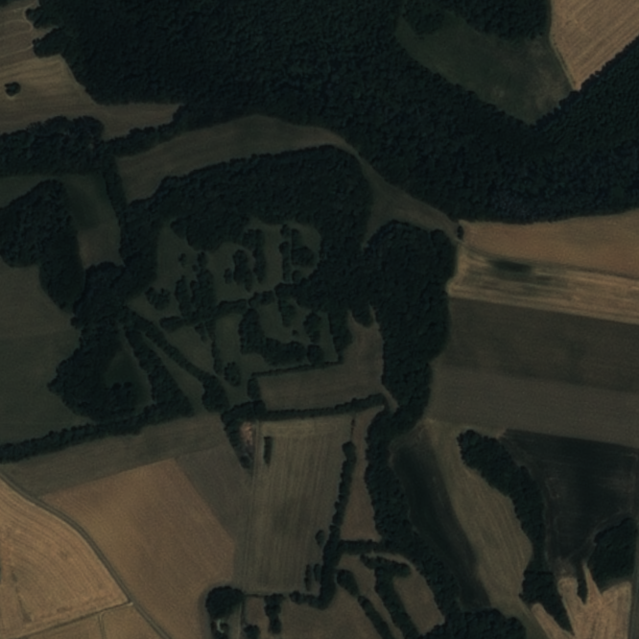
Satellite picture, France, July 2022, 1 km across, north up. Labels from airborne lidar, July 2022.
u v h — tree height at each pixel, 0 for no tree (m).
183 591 0
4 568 0
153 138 21
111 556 0
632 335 0
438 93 20
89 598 0
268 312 0
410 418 19
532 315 0
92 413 16
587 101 24
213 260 0
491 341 0
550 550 0
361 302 15
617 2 0
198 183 22
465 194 33
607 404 0
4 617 0
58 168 9
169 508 0
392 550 17
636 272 0
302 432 0
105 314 21
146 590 0
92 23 25
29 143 14
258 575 0
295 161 17
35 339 0
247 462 14
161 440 0
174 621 0
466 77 0
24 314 0
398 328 17
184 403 10
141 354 21
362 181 20
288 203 20
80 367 21
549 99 0
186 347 0
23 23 0
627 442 0
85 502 0
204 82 23
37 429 0
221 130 0
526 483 15
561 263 0
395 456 0
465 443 19
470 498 0
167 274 0
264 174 23
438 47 0
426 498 0
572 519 0
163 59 25
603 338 0
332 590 16
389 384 17
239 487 0
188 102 18
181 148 0
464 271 0
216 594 14
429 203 14
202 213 22
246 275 15
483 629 18
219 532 0
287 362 11
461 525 0
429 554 20
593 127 28
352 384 0
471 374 0
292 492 0
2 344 0
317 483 0
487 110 17
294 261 11
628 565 6
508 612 0
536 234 0
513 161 26
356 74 29
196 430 0
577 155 17
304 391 0
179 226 14
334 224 16
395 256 20
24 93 0
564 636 0
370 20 10
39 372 0
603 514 0
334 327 14
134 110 0
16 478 0
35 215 21
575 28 0
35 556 0
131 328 15
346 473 12
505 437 0
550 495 0
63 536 0
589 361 0
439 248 15
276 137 0
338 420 0
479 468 18
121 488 0
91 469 0
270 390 0
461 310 0
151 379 12
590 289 0
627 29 0
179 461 0
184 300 13
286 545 0
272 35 21
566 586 0
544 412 0
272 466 0
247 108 19
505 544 0
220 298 0
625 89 25
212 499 0
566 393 0
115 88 16
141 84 20
